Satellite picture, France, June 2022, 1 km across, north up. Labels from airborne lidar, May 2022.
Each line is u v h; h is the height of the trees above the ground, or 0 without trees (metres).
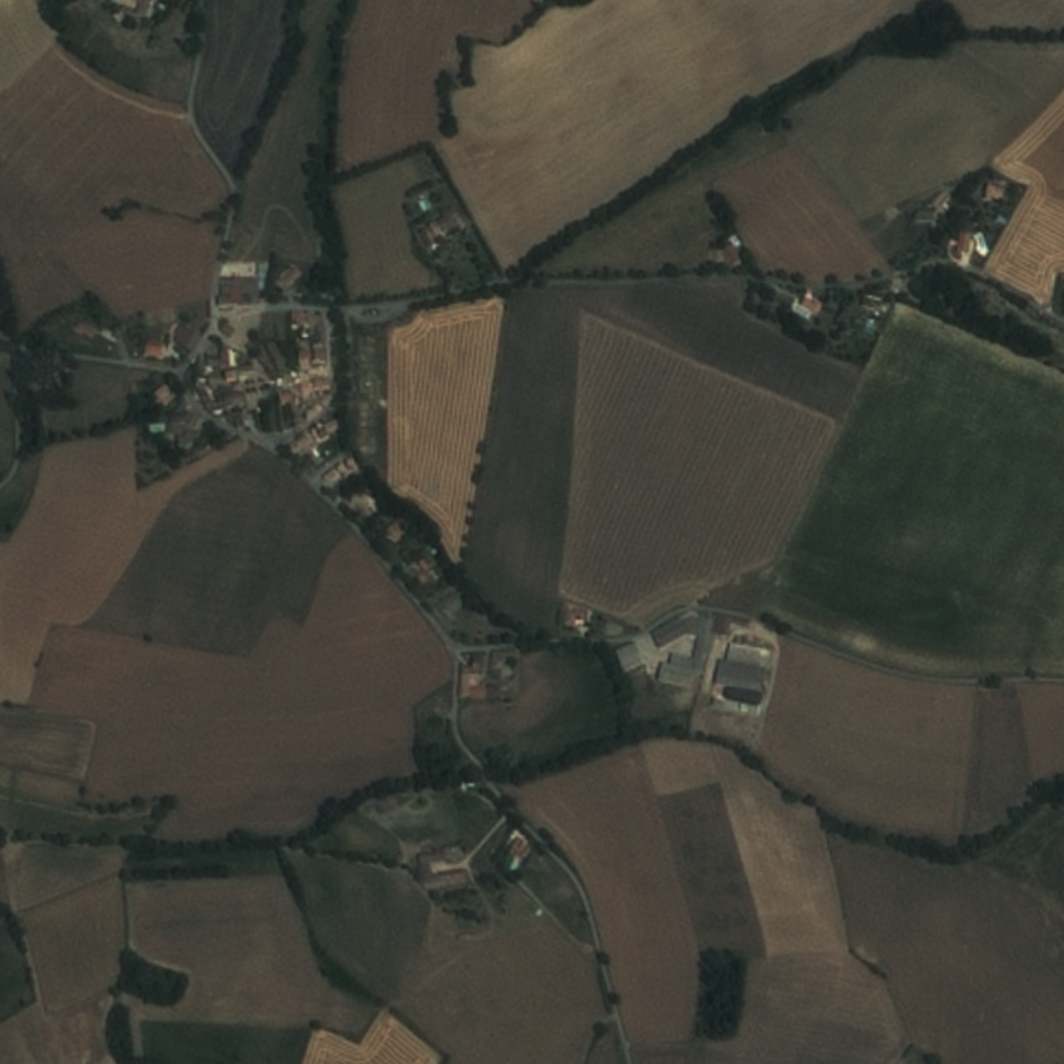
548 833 9
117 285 0
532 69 0
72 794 0
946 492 0
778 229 0
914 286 14
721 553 0
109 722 0
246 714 0
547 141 0
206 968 0
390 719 0
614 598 0
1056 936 0
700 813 0
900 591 0
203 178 0
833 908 0
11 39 0
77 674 0
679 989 0
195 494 0
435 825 0
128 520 0
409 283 0
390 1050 0
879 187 0
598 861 0
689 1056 0
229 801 0
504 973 0
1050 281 0
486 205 0
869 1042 0
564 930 0
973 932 0
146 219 0
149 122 0
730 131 12
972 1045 0
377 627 0
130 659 0
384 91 0
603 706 0
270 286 12
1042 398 0
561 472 0
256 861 0
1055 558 0
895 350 0
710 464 0
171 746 0
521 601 0
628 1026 0
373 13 0
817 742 0
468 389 0
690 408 0
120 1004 7
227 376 0
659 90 0
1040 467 0
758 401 0
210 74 0
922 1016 0
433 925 0
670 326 0
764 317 15
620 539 0
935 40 16
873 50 13
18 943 9
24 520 0
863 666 0
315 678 0
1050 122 0
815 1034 0
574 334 0
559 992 0
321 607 0
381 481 12
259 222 0
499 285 11
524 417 0
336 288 12
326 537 0
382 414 0
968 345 0
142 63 0
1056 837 0
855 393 0
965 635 0
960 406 0
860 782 0
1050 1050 0
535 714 0
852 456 0
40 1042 0
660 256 0
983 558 0
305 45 16
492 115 0
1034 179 0
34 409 11
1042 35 14
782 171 0
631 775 0
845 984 0
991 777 0
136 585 0
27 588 0
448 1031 0
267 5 0
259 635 0
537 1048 0
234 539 0
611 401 0
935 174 0
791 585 0
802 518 0
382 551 15
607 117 0
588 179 0
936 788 0
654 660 0
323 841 0
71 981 0
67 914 0
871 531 0
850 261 0
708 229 0
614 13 0
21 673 0
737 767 0
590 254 0
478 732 0
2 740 0
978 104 0
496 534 0
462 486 0
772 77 0
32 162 0
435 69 0
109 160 0
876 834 14
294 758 0
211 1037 0
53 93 0
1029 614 0
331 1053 0
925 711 0
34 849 0
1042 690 0
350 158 0
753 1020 0
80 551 0
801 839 0
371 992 6
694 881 0
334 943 0
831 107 0
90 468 0
